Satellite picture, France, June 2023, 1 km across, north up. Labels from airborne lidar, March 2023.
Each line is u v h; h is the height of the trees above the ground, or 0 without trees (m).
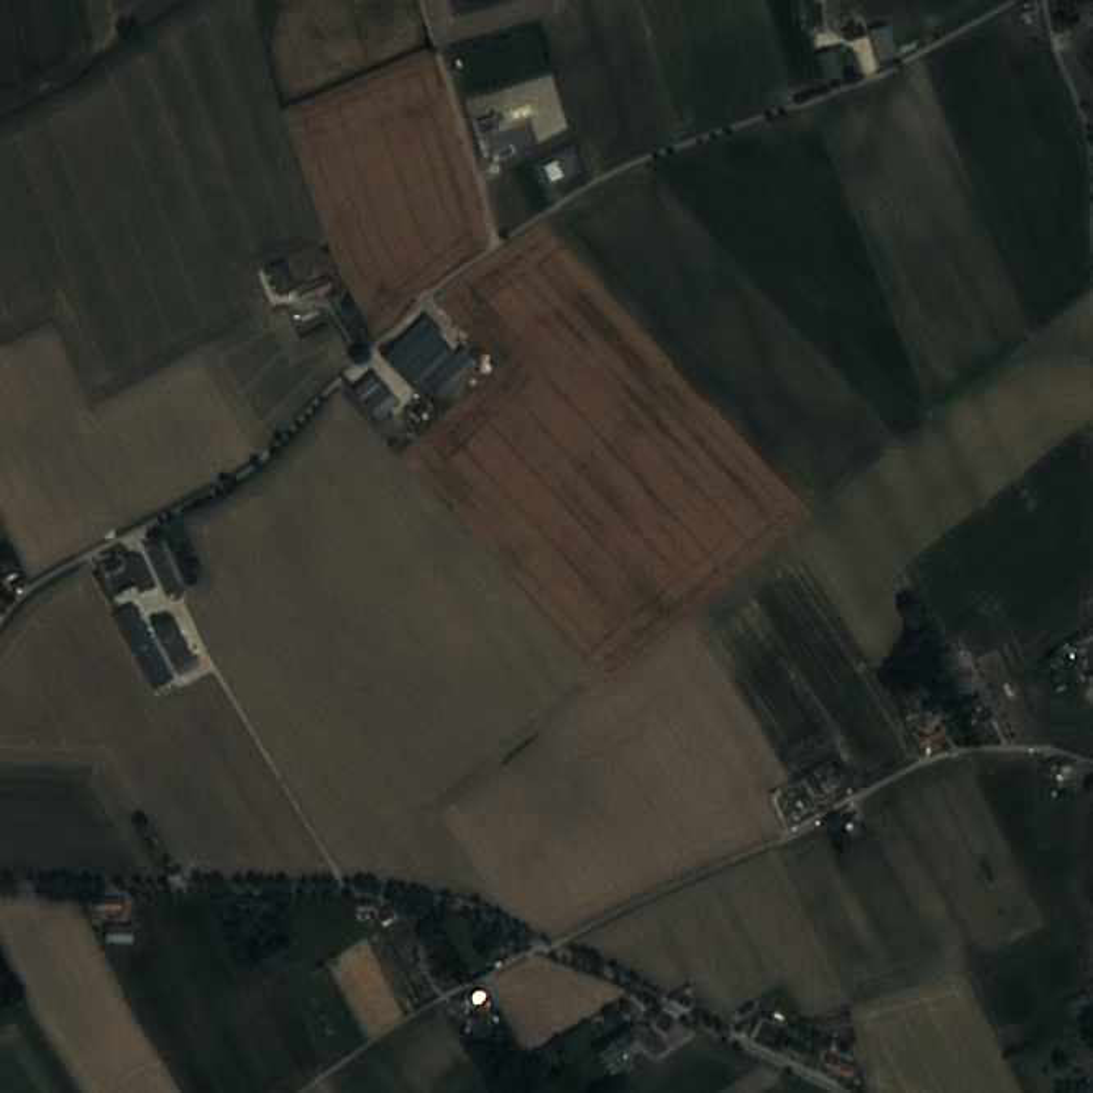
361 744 0
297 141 0
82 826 0
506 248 0
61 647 0
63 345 0
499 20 0
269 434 0
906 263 0
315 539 0
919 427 0
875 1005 0
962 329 0
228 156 0
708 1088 0
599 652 0
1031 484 0
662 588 0
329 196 0
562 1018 0
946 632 0
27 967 0
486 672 0
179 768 0
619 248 0
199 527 0
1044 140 0
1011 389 0
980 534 0
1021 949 0
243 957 16
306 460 0
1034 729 0
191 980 0
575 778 0
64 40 0
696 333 0
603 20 0
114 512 0
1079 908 0
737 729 0
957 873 0
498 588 0
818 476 0
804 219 0
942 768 0
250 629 0
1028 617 0
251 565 0
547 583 0
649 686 0
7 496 0
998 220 0
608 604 0
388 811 0
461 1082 0
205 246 0
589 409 0
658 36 0
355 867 0
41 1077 0
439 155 0
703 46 0
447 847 0
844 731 0
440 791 0
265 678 0
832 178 0
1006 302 0
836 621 0
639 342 0
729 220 0
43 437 0
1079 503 0
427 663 0
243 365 0
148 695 0
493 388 0
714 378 0
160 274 0
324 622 0
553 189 0
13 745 0
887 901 0
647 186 0
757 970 0
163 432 0
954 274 0
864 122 0
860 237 0
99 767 0
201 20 0
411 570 0
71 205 0
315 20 0
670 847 0
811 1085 0
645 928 0
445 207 0
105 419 0
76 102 0
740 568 0
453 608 0
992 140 0
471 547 0
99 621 0
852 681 0
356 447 0
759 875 0
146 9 0
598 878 0
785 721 0
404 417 0
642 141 0
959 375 0
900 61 13
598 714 0
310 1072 0
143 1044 0
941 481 0
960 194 0
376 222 0
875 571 0
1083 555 0
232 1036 0
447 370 0
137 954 0
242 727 0
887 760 0
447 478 0
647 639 0
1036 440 0
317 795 0
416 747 0
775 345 0
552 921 0
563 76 0
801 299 0
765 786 0
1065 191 0
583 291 0
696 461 0
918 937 0
